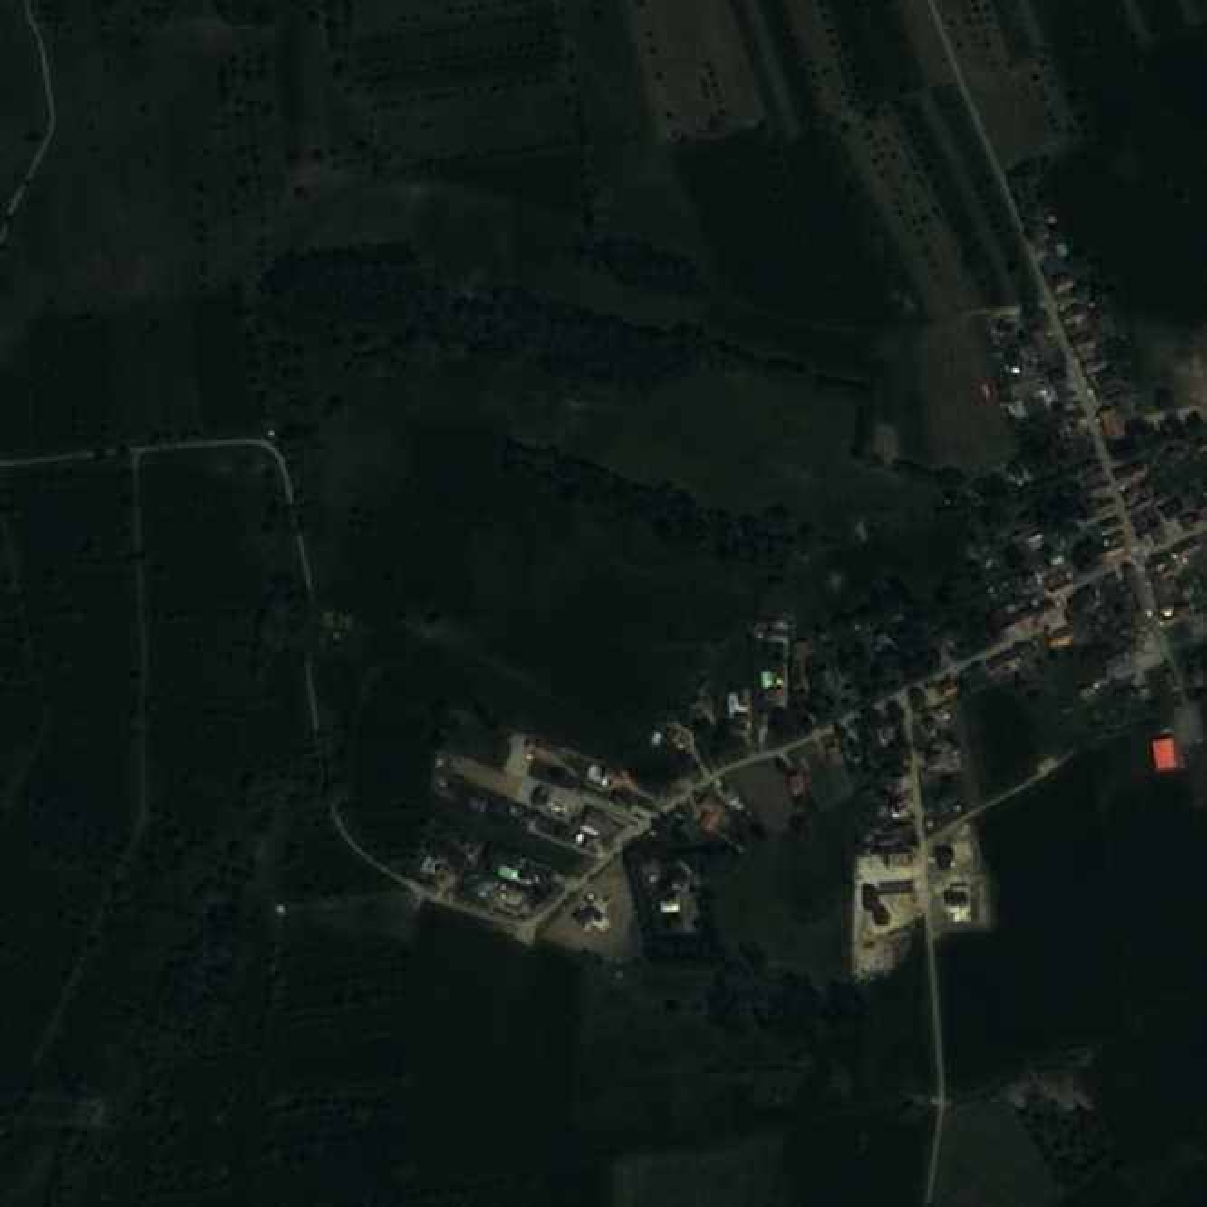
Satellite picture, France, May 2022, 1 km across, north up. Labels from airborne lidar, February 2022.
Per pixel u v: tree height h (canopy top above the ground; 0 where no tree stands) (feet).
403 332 44
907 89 27
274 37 0
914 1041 0
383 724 0
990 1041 0
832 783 0
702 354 74
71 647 0
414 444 0
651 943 27
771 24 0
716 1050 0
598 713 0
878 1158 0
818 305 0
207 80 0
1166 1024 0
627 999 0
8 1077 0
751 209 0
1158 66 0
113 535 0
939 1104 0
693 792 0
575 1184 0
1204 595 0
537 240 0
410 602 0
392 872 0
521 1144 0
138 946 0
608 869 0
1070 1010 0
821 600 0
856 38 0
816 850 0
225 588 0
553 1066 0
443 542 0
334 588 0
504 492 0
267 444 0
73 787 0
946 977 0
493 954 0
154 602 0
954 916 0
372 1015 0
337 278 112
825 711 18
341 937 0
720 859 62
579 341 127
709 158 0
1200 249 0
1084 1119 53
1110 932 0
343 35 49
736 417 0
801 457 0
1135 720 0
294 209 0
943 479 43
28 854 0
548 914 0
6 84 0
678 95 0
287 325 32
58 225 0
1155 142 0
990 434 0
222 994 47
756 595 0
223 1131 0
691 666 0
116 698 0
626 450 0
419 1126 0
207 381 0
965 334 0
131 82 0
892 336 0
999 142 0
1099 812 0
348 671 0
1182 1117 0
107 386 0
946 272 0
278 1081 0
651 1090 0
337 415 37
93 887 0
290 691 0
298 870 0
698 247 0
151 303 0
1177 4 0
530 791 0
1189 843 0
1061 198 0
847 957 0
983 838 0
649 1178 0
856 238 0
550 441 0
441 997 0
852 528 0
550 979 0
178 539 0
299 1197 0
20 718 0
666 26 0
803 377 51
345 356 0
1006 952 0
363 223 0
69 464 0
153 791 0
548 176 0
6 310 0
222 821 0
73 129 0
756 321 0
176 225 0
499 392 0
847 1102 0
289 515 39
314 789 29
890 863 0
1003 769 0
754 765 0
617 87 0
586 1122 0
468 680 0
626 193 0
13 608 21
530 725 0
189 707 0
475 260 0
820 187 0
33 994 0
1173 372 0
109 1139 0
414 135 0
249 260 0
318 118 0
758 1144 0
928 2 0
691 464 0
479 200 0
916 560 0
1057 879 0
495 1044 0
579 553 0
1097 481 0
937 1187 0
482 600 0
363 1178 0
